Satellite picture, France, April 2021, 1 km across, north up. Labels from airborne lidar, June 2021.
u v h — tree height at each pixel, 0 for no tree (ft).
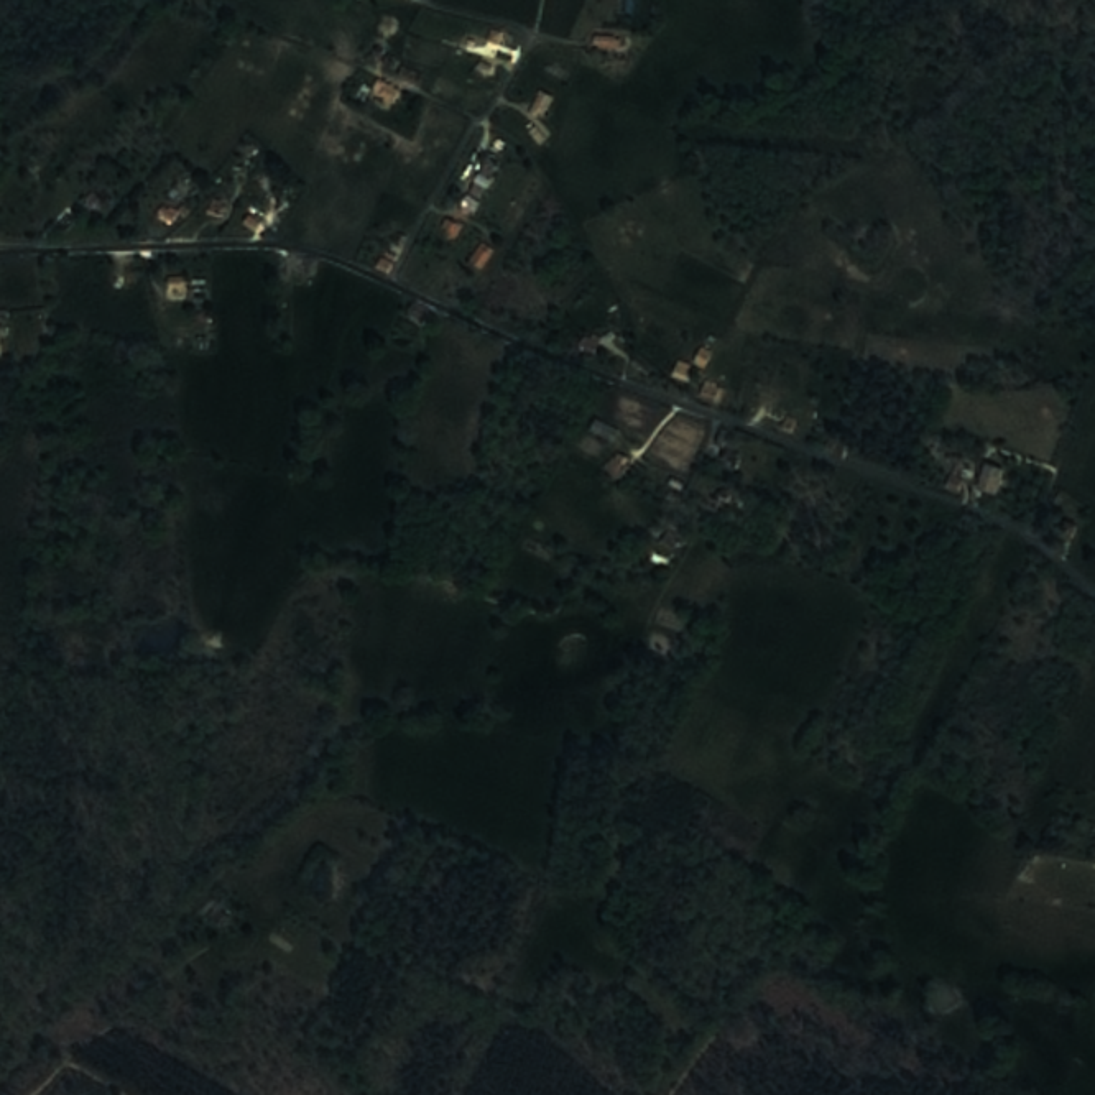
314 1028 50
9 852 52
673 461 0
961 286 0
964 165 67
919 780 42
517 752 0
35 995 56
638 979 64
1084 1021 0
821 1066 43
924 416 50
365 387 57
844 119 36
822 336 0
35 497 17
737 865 52
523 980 0
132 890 55
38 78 57
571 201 0
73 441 53
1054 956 0
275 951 0
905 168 0
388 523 0
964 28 28
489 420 54
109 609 27
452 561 46
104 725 52
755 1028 44
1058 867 0
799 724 0
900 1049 22
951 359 0
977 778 41
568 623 0
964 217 38
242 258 0
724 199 31
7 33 77
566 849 57
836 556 50
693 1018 78
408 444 33
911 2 69
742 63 0
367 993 38
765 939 52
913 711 51
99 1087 35
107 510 50
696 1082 26
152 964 45
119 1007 51
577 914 0
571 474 0
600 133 0
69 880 60
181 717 60
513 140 0
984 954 0
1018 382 49
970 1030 0
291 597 0
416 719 52
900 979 0
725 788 0
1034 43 49
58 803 59
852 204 0
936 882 0
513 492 22
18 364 61
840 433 46
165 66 0
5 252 0
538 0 0
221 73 0
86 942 47
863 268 26
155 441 62
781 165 41
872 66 34
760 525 58
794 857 0
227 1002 53
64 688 53
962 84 40
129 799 51
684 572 0
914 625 28
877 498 18
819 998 32
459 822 0
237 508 0
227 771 19
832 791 0
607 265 0
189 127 0
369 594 0
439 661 0
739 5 0
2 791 49
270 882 0
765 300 0
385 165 0
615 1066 49
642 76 0
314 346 0
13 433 41
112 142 31
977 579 45
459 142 0
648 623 0
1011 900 0
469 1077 31
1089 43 54
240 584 0
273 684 24
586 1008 81
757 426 0
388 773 0
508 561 46
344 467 0
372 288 0
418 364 30
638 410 0
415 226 0
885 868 45
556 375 53
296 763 28
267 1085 17
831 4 69
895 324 0
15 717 54
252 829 34
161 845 58
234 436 0
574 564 45
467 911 62
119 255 0
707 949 36
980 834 0
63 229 45
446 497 42
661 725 46
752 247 33
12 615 21
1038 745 23
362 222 0
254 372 0
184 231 0
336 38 0
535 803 0
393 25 0
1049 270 37
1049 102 85
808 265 0
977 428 0
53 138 25
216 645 0
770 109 55
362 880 0
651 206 0
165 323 0
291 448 0
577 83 0
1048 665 26
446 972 25
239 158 19
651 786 19
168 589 28
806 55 0
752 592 0
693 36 0
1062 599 44
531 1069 36
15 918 60
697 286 0
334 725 65
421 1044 52
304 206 0
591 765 81
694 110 51
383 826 0
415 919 61
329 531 0
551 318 24
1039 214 28
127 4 55
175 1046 53
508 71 0
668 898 24
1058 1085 0
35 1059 28
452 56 0
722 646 50
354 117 0
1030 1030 0
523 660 0
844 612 0
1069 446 0
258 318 0
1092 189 75
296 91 0
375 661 0
